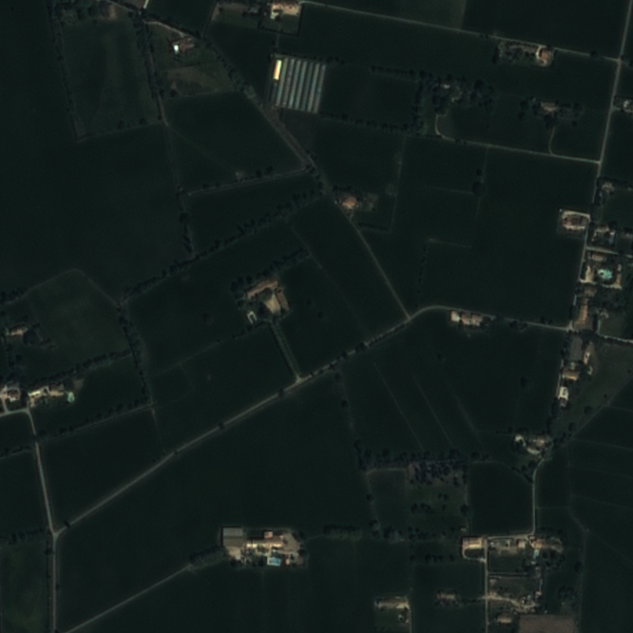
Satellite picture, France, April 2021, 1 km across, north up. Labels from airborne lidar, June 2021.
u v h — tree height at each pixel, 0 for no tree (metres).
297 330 0
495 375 0
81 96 0
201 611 0
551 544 8
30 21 0
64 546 0
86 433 0
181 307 0
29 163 0
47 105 0
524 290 0
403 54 0
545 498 0
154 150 0
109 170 0
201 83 0
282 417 0
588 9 0
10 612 0
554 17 0
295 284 0
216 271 0
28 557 0
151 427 0
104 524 0
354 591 0
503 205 0
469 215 0
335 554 0
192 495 0
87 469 0
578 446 0
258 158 0
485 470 0
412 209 0
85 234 0
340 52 0
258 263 0
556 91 0
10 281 0
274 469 0
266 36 0
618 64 0
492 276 0
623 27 0
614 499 0
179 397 0
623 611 0
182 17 0
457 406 0
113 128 0
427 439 0
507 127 0
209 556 17
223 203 0
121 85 0
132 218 0
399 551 0
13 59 0
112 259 0
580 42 0
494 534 0
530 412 0
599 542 0
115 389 0
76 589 0
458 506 0
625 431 0
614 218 0
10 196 0
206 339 0
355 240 0
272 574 0
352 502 0
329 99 0
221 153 0
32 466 0
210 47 7
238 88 8
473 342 0
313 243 0
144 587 0
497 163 0
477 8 0
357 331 0
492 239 0
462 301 0
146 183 0
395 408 0
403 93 0
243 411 0
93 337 0
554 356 0
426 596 0
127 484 0
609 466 0
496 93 14
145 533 0
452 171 0
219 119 0
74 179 0
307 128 0
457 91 18
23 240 0
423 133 13
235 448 0
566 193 0
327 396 0
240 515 0
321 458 0
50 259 0
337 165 0
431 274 0
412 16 0
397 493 0
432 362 0
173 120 0
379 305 0
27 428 0
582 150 0
